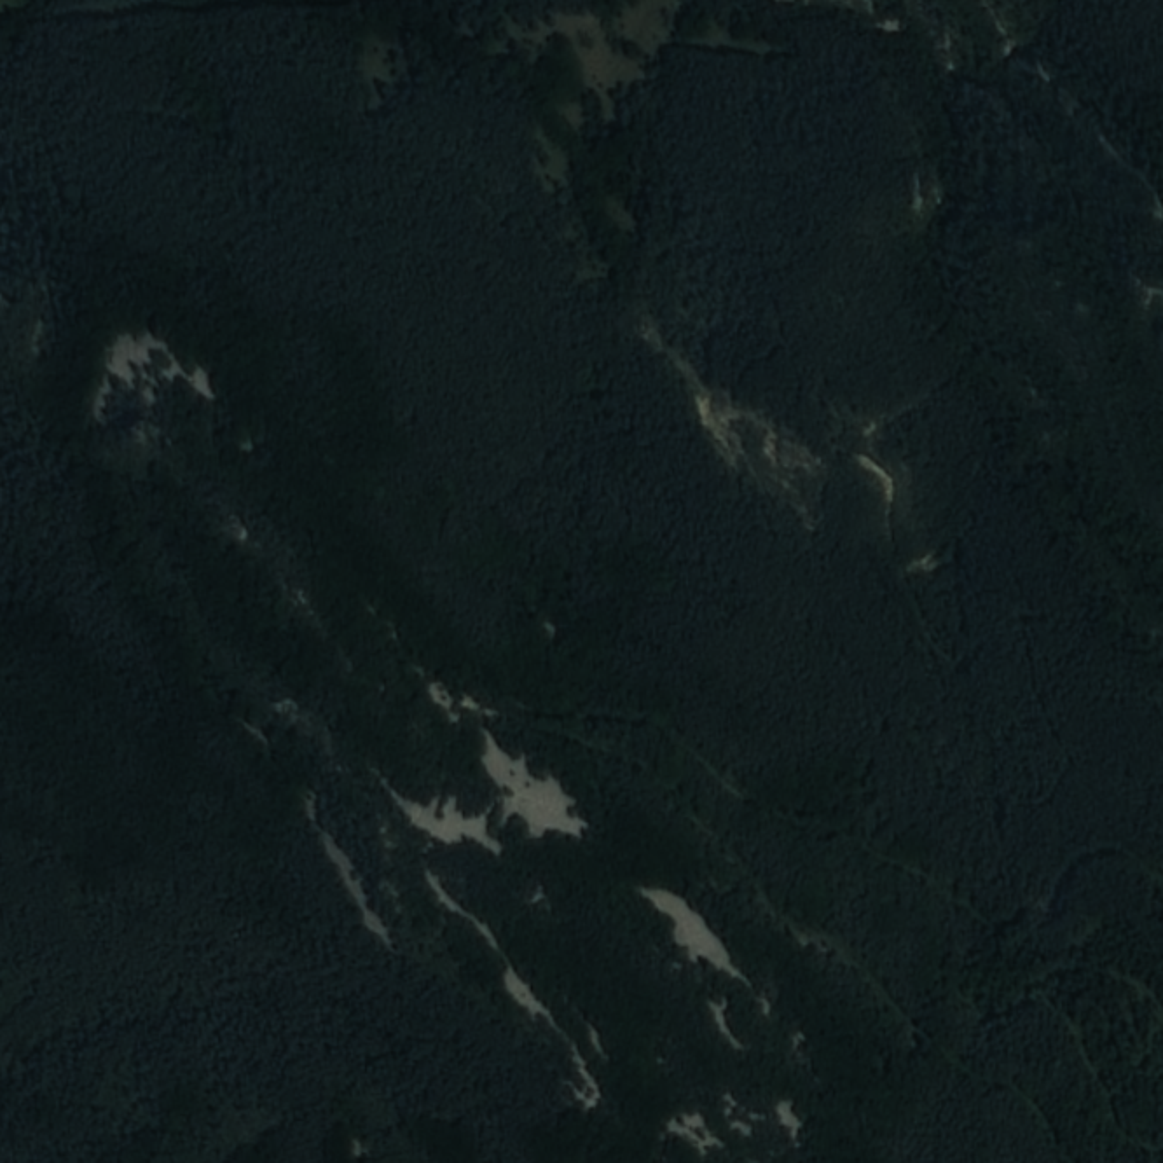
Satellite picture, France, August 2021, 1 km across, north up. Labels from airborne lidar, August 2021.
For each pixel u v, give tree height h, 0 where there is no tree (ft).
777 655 54
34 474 60
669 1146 34
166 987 56
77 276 68
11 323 35
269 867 48
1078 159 17
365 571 49
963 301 63
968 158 34
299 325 73
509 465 52
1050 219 27
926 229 31
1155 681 60
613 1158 31
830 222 51
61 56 66
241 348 60
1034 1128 54
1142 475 21
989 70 54
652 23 0
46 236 47
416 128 64
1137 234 41
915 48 61
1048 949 51
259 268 69
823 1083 23
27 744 41
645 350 37
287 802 42
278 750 36
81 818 41
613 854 43
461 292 57
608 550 68
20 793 36
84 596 60
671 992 28
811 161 48
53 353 48
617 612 81
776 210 47
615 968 32
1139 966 37
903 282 44
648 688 76
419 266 64
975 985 23
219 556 47
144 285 69
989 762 67
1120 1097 34
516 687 58
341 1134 58
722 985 38
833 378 51
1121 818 76
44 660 63
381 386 60
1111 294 40
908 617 64
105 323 52
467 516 42
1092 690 59
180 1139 19
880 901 49
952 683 76
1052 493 51
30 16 51
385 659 30
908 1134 36
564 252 55
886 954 43
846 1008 57
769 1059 38
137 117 57
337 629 38
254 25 81
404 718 38
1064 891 45
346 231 76
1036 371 18
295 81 77
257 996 55
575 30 0
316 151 65
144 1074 32
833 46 73
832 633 66
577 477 60
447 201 63
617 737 58
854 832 39
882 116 53
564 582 59
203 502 24
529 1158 44
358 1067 41
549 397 50
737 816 50
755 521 39
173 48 74
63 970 43
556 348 64
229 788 48
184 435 40
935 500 39
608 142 69
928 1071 72
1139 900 74
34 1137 40
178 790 56
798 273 57
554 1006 28
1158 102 74
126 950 47
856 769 76
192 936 48
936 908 58
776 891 41
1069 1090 48
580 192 49
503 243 65
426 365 51
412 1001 45
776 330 31
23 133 61
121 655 62
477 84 56
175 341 40
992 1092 48
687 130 56
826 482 20
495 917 36
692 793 58
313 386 76
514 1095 35
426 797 22
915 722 46
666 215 75
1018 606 77
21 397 39
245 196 56
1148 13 73
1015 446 66
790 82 60
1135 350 27
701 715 74
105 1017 49
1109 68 55
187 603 40
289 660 64
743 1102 21
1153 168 43
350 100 79
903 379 47
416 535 57
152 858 48
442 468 63
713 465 52
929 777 38
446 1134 45
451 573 52
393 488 60
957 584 52
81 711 67
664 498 56
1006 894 68
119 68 63
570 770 39
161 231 61
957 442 57
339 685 51
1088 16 55
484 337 57
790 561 53
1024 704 52
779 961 44
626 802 51
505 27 44
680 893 24
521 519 68
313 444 62
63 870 59
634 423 51
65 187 65
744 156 56
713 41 0
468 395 57
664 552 62
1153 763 64
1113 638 96
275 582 26
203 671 24
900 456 25
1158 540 23
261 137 72
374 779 32
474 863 26
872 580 63
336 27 64
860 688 55
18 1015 49
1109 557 32
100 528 75
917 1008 48
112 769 57
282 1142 45
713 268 38
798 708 57
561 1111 41
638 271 57
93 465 28
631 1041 44
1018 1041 47
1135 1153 39
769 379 69
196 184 77
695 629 74
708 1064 29
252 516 43
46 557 48
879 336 49
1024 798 55
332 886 48
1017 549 69
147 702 78
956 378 54
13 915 53
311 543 26
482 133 56
